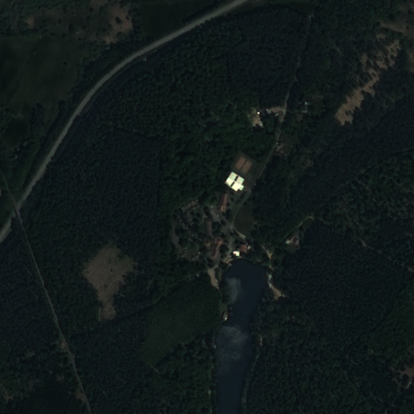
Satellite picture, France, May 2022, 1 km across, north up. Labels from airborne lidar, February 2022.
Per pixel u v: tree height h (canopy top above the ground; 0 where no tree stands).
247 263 0
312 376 24
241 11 0
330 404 25
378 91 20
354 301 21
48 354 26
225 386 0
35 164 14
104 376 23
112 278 0
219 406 0
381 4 25
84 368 25
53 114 0
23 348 25
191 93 29
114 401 24
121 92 29
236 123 30
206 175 30
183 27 0
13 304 24
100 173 27
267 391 28
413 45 5
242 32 25
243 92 27
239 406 0
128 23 0
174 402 32
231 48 33
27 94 0
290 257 27
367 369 12
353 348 8
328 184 26
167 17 0
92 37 0
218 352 0
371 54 8
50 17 0
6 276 27
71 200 28
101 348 21
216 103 30
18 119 0
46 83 0
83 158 27
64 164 27
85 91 16
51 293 15
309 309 25
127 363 22
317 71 25
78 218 27
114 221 24
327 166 27
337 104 23
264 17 21
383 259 23
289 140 0
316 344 25
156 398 24
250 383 25
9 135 0
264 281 0
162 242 24
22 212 14
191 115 30
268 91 36
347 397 27
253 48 27
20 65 0
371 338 27
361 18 26
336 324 22
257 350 12
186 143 28
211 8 14
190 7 0
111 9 0
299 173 7
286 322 24
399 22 0
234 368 0
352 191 26
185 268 30
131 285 13
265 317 29
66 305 25
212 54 28
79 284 25
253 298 0
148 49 0
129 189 26
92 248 24
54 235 25
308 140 29
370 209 8
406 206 30
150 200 24
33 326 24
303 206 27
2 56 0
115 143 30
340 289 26
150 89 31
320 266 25
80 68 7
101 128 29
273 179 25
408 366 13
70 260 27
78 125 10
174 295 24
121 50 23
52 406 10
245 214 0
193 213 13
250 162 0
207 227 0
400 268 23
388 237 11
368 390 10
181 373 27
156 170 21
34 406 9
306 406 25
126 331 26
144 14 0
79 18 0
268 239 21
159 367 26
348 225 22
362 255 22
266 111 0
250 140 31
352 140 22
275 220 21
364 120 27
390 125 19
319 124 23
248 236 0
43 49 0
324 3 25
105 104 26
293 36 25
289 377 30
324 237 30
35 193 16
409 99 23
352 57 23
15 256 24
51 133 17
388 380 12
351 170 27
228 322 0
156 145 27
